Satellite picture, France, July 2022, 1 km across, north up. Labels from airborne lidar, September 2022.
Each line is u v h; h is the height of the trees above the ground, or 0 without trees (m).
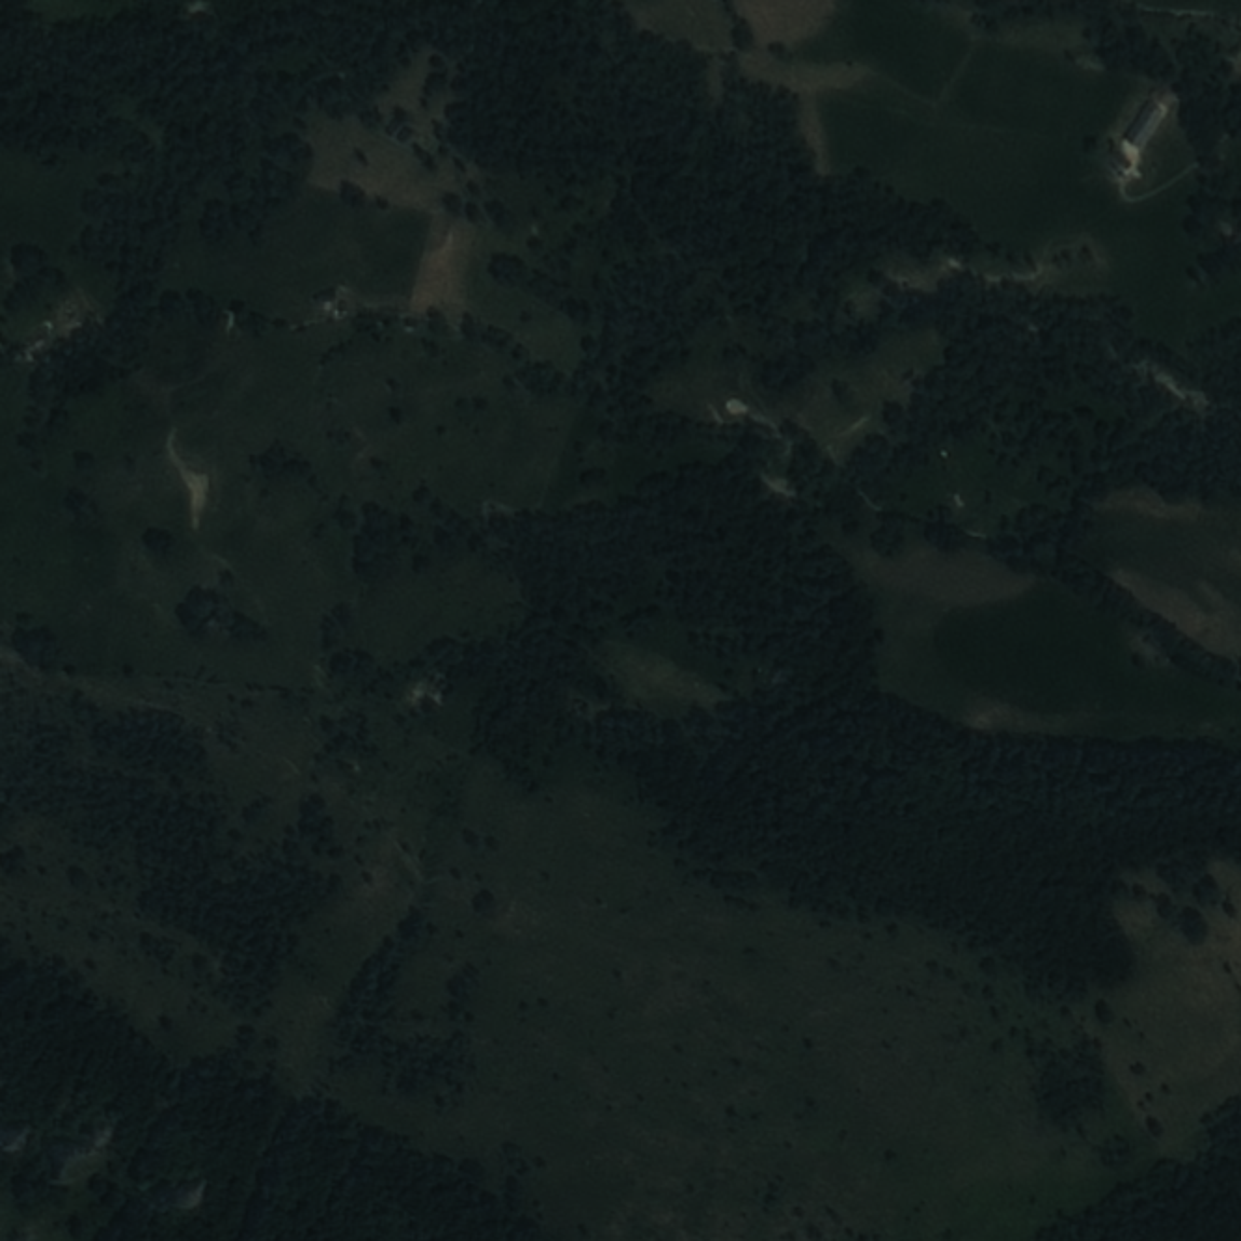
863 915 10
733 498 17
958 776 30
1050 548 25
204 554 0
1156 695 0
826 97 0
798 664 15
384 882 0
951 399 23
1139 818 28
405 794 0
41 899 0
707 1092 0
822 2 0
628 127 26
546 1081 0
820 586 15
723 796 23
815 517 9
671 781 24
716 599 22
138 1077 22
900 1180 0
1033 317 18
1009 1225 0
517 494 0
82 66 15
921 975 0
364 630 0
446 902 0
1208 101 21
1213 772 26
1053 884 31
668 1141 0
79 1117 11
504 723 15
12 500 0
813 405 0
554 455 0
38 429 9
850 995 0
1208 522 0
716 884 9
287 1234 20
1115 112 0
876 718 27
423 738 0
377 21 21
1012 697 0
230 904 18
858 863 13
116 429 0
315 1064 0
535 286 15
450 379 0
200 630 24
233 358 0
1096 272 0
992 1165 0
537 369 11
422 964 0
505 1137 0
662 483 13
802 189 26
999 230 0
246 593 0
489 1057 0
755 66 0
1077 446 13
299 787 0
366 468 0
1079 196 0
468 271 0
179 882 10
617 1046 0
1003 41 0
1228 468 29
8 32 16
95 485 0
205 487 0
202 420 0
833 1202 0
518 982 0
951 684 0
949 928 12
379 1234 22
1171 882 18
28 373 0
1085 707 0
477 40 8
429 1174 24
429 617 0
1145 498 0
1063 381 11
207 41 15
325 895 13
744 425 7
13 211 0
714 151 11
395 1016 14
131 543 0
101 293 0
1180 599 0
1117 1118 0
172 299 18
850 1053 0
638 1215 0
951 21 0
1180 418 12
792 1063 0
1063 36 0
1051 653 0
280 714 0
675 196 9
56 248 0
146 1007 0
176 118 8
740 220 18
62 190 0
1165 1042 0
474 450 0
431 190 0
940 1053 0
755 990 0
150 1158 19
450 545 22
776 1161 0
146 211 15
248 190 25
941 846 29
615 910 0
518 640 14
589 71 24
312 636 0
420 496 13
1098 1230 15
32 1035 22
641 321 26
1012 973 7
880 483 17
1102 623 0
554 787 0
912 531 8
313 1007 0
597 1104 0
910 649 0
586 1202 0
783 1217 0
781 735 27
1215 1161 17
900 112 0
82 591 0
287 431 0
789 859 11
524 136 13
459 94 10
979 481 0
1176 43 7
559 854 0
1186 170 0
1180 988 0
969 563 0
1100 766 27
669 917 0
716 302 14
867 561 0
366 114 18
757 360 7
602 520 20
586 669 13
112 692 0
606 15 18
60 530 0
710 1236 0
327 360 15
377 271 0
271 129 23
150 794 15
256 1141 18
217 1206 23
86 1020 25
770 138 18
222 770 0
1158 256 0
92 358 14
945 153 0
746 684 0
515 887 0
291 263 0
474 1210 24
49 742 11
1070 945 27
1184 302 0
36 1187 15
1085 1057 10
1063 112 0
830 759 25
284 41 17
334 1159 23
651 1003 0
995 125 0
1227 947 0
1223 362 23
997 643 0
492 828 0
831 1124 0
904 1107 0
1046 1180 0
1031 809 30
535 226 0
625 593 12
